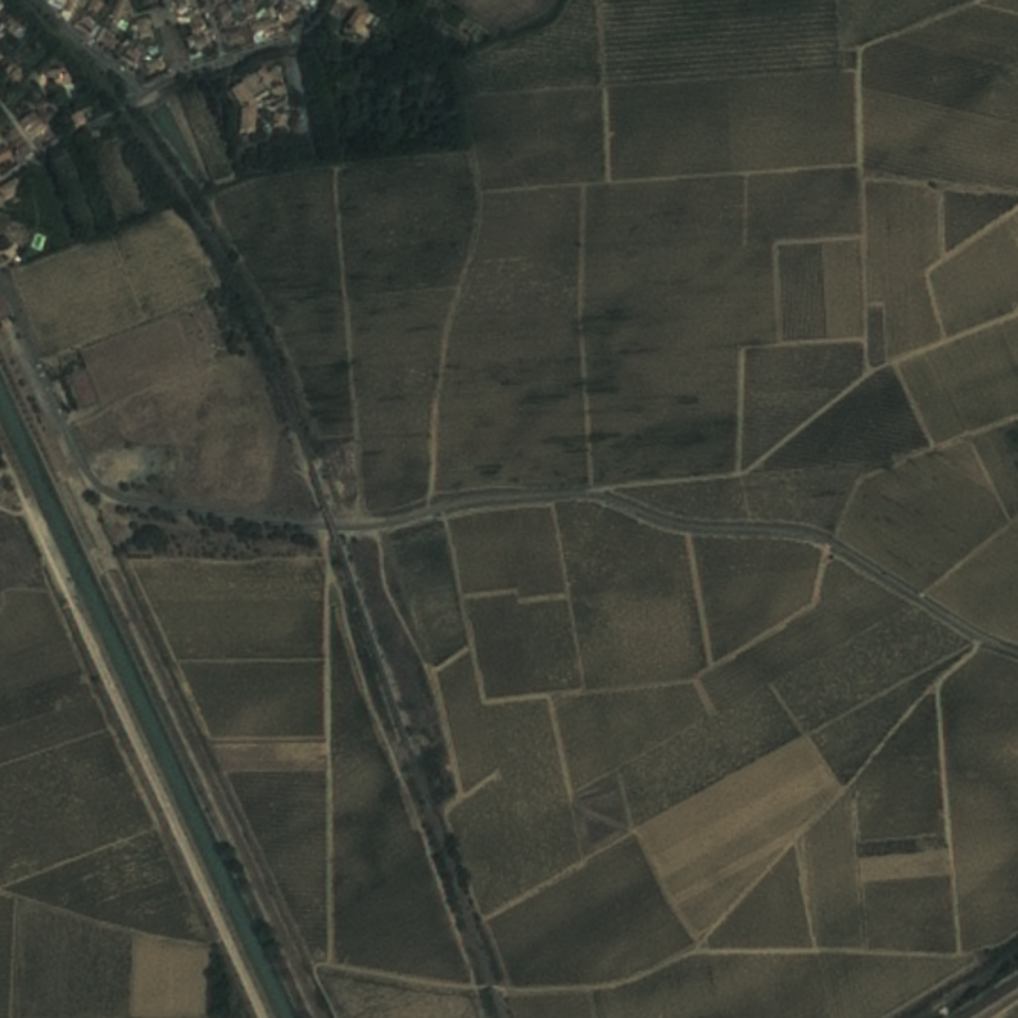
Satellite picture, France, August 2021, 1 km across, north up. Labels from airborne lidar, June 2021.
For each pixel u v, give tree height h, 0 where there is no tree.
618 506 0
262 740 0
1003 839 0
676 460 0
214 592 0
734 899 0
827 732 0
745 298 0
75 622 0
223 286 6
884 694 0
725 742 0
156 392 0
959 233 0
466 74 0
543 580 0
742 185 0
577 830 0
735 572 0
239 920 0
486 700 0
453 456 0
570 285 0
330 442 0
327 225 0
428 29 11
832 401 0
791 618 0
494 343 0
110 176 0
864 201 0
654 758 0
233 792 0
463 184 0
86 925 0
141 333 0
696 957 0
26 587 0
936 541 0
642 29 0
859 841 0
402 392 0
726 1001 0
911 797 0
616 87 0
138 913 0
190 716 0
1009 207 0
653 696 0
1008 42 0
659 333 0
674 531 0
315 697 0
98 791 0
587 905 0
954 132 0
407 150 10
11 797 0
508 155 0
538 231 0
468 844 0
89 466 0
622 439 0
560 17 0
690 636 0
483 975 0
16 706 0
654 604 0
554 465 0
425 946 0
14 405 0
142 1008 0
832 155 0
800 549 0
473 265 0
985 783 0
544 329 0
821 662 0
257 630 0
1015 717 0
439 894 0
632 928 0
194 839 0
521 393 0
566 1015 0
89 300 0
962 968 0
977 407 0
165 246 0
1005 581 0
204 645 0
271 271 0
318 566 0
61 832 0
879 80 0
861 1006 0
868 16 0
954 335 0
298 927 0
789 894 0
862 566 0
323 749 0
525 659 0
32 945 0
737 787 0
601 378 0
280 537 8
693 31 0
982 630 0
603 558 0
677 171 0
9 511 0
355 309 0
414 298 0
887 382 0
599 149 0
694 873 0
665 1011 0
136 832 0
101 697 0
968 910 0
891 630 0
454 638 0
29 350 0
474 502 0
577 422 0
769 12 0
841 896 0
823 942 0
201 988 0
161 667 0
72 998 0
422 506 0
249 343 7
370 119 9
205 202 11
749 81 0
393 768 0
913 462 0
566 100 0
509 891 0
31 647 0
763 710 0
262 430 0
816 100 0
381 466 0
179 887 0
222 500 0
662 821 0
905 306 0
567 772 0
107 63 0
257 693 0
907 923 0
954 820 0
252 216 0
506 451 0
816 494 0
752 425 0
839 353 0
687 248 0
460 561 0
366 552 0
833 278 0
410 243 0
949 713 0
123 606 0
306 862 0
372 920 0
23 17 12
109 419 0
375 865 0
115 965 0
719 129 0
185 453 0
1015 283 0
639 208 0
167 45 0
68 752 0
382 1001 0
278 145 11
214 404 0
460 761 0
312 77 20
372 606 0
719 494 0
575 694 0
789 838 0
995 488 0
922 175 0
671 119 0
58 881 0
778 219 0
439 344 0
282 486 0
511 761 0
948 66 0
